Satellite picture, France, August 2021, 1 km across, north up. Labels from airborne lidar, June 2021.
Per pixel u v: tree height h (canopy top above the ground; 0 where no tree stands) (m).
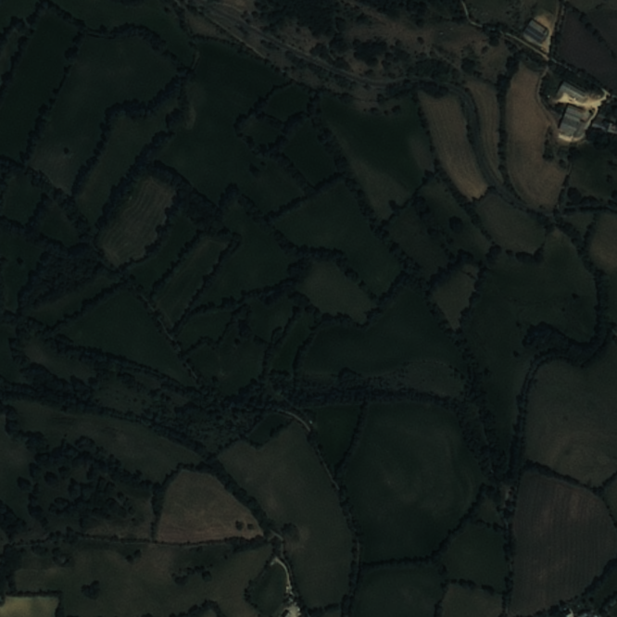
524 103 0
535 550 0
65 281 18
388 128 0
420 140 0
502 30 10
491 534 0
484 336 0
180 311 0
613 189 0
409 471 0
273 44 9
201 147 0
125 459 0
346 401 10
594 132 17
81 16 0
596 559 0
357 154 0
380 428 0
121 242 0
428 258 0
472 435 14
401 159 0
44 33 0
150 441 0
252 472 0
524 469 10
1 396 8
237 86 0
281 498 0
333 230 0
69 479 8
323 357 0
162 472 0
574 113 0
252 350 0
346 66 10
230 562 0
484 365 0
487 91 0
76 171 0
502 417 0
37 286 19
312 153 0
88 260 14
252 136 0
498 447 16
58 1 0
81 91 0
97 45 0
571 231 13
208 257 0
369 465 0
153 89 0
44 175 12
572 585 0
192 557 0
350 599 15
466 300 0
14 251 0
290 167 20
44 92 0
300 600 9
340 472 14
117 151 0
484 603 0
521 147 0
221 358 0
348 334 0
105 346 0
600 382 0
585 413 0
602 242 0
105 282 0
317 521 0
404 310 0
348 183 12
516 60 10
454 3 9
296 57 8
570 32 0
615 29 0
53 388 18
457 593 0
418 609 0
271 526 10
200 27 0
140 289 13
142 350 0
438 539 0
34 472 16
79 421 0
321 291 0
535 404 0
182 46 0
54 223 0
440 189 0
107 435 0
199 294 10
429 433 0
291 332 10
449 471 0
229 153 0
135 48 0
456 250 0
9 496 0
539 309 0
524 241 0
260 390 10
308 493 0
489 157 0
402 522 0
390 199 0
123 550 0
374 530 0
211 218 26
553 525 0
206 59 0
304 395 8
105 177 0
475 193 0
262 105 13
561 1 9
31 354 0
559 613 16
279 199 0
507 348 0
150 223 0
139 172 18
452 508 0
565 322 0
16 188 0
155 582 0
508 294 0
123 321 0
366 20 15
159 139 15
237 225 0
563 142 0
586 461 0
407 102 0
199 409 17
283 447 0
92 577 0
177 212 15
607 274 17
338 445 0
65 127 0
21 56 12
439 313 17
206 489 0
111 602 0
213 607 12
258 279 0
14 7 0
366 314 0
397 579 0
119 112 18
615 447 0
